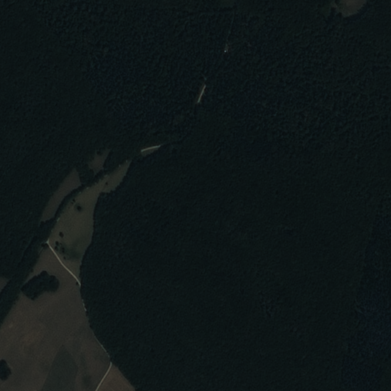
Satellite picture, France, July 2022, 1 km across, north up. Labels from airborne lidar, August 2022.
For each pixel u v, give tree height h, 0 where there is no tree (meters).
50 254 0
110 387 0
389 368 15
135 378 17
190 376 16
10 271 16
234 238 18
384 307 23
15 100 23
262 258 19
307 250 18
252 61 14
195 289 19
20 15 17
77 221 0
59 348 0
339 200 18
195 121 15
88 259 16
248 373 19
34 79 20
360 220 18
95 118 17
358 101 20
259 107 17
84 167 17
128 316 20
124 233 20
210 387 17
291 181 21
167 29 19
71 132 17
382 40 20
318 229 19
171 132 16
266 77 16
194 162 17
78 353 0
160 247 18
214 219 21
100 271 18
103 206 16
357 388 25
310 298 20
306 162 20
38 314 0
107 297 21
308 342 19
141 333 18
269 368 18
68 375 0
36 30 20
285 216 20
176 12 17
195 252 21
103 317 19
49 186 15
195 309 18
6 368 19
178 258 18
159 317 14
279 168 20
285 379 19
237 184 19
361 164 18
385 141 20
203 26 18
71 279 0
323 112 18
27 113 22
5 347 0
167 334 15
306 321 26
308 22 20
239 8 15
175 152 19
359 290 20
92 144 16
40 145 22
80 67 17
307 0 21
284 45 18
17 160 19
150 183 17
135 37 15
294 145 24
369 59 23
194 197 18
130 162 0
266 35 13
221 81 22
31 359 0
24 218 18
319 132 25
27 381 0
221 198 17
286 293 23
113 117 19
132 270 19
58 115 22
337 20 21
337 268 19
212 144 21
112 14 20
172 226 16
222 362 18
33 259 17
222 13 15
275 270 22
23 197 14
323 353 22
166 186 16
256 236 18
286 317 24
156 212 18
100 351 0
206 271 21
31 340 0
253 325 20
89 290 16
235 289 19
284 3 20
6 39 19
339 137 21
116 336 22
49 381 0
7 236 16
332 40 20
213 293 20
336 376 20
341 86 20
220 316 21
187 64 15
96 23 18
